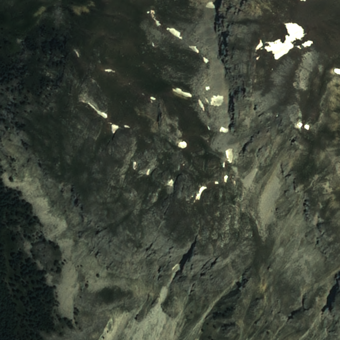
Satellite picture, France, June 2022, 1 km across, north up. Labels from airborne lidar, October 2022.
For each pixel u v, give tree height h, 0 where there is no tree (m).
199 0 0
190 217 0
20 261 24
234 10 0
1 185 16
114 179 0
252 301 0
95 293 0
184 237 0
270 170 0
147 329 0
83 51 0
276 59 0
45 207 0
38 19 0
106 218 0
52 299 22
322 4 0
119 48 0
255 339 0
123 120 0
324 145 0
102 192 0
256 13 0
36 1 0
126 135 0
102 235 0
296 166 0
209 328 0
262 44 0
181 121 0
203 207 0
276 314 0
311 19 0
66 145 0
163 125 0
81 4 0
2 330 19
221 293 0
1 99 0
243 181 0
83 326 0
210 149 0
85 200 0
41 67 0
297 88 0
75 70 0
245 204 0
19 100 0
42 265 0
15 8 0
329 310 0
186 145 0
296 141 0
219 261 0
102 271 0
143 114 0
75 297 0
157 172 0
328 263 0
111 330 0
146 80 0
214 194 0
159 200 0
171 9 0
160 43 0
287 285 0
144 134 0
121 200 0
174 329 0
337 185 0
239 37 0
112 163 0
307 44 0
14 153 0
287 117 0
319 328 0
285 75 0
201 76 0
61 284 0
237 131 0
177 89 0
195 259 0
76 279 0
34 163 0
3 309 18
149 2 0
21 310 0
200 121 0
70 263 0
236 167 0
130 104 0
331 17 0
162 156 0
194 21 0
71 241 0
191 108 0
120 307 0
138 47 0
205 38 0
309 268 0
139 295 0
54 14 0
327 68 0
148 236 0
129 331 0
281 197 0
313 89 0
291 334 0
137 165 0
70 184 0
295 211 0
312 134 0
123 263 0
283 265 0
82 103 0
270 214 0
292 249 0
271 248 0
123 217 0
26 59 0
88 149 0
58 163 0
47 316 8
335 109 0
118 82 0
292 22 0
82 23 0
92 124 0
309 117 0
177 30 0
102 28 0
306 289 0
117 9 0
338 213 0
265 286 0
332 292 0
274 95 0
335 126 0
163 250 0
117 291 0
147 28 0
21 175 0
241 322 0
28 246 0
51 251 0
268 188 0
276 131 0
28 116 0
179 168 0
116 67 0
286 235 0
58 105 0
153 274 0
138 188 0
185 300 0
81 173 0
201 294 0
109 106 0
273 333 0
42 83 6
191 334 0
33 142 0
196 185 0
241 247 0
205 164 0
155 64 0
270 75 0
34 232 0
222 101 0
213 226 0
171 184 0
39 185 0
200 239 0
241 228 0
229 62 0
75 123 0
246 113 0
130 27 0
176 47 0
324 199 0
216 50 0
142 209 0
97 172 0
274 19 0
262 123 0
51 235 0
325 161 0
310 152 0
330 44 0
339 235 0
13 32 0
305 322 0
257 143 0
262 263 0
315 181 0
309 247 0
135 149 0
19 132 0
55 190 0
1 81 11
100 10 0
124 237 0
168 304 0
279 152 0
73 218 0
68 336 0
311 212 0
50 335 0
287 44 0
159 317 0
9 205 16
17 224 8
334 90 0
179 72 0
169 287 0
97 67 0
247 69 0
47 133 0
